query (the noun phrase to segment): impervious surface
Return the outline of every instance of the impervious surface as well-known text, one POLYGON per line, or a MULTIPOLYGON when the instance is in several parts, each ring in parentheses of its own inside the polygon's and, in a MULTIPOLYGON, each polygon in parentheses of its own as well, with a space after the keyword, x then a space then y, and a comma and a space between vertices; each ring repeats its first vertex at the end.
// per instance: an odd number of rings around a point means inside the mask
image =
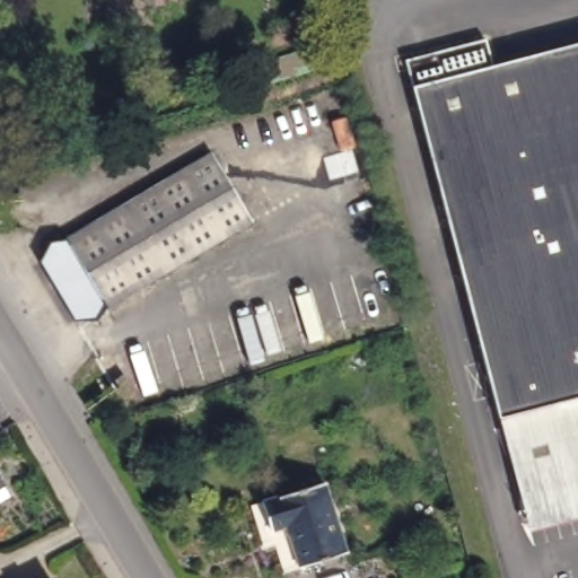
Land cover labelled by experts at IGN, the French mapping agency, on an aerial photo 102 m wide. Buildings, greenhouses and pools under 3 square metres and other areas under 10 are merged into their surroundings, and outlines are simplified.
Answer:
POLYGON ((375 327, 388 327, 395 323, 395 312, 386 300, 388 275, 379 266, 379 262, 375 262, 366 251, 368 242, 382 237, 382 226, 368 210, 366 201, 359 205, 350 205, 348 201, 368 190, 368 183, 357 174, 354 138, 345 120, 327 122, 321 117, 316 106, 291 111, 287 117, 278 117, 275 126, 269 126, 264 117, 253 120, 251 115, 226 117, 226 122, 221 122, 219 126, 172 138, 163 142, 160 154, 149 158, 149 165, 131 167, 113 178, 106 176, 106 172, 102 169, 102 156, 93 158, 90 167, 84 163, 75 172, 72 167, 65 167, 61 176, 54 176, 38 190, 23 190, 18 196, 18 205, 14 208, 14 217, 20 221, 20 230, 0 235, 0 449, 7 447, 7 443, 14 438, 11 429, 18 427, 27 447, 32 449, 41 470, 52 483, 59 501, 63 503, 65 513, 65 528, 59 528, 47 537, 36 540, 23 549, 0 553, 0 578, 54 578, 50 576, 52 560, 81 544, 88 546, 106 578, 176 578, 167 560, 163 558, 158 544, 154 542, 151 533, 138 506, 124 490, 117 470, 108 463, 97 440, 95 436, 88 427, 90 411, 102 406, 106 400, 117 397, 124 402, 129 402, 135 413, 142 411, 176 400, 187 400, 199 393, 217 391, 228 384, 251 382, 280 368, 339 350, 334 341, 339 339, 364 334, 366 330, 375 327), (131 201, 133 196, 147 192, 156 183, 178 174, 181 169, 194 165, 201 158, 208 158, 212 163, 210 172, 203 174, 203 183, 228 183, 228 194, 233 199, 242 196, 244 205, 248 208, 246 224, 226 239, 221 239, 217 246, 192 257, 187 264, 172 269, 167 273, 158 273, 149 282, 135 282, 117 296, 106 298, 95 316, 77 318, 45 269, 43 257, 50 244, 65 242, 93 221, 102 219, 122 203, 131 201))
POLYGON ((284 571, 280 578, 402 578, 400 571, 391 573, 391 567, 386 562, 382 558, 370 558, 352 567, 348 562, 350 551, 300 564, 291 553, 287 533, 278 531, 273 526, 273 517, 264 515, 262 508, 255 503, 253 519, 262 537, 262 549, 273 549, 278 553, 278 560, 284 571))
POLYGON ((535 531, 526 524, 526 510, 522 503, 513 458, 508 452, 506 431, 494 406, 438 181, 434 174, 427 138, 422 131, 413 95, 413 86, 418 84, 418 79, 409 77, 406 59, 440 47, 476 41, 481 36, 492 38, 492 63, 578 43, 578 0, 368 0, 370 36, 368 47, 361 56, 364 79, 368 97, 373 99, 373 108, 382 117, 384 129, 391 135, 391 147, 395 156, 397 176, 409 210, 409 221, 404 224, 404 228, 415 239, 418 264, 429 282, 431 296, 431 303, 436 307, 436 323, 449 364, 452 386, 467 434, 479 494, 485 506, 503 578, 578 578, 578 519, 542 531, 535 531))
POLYGON ((27 522, 27 513, 20 503, 20 497, 11 492, 11 476, 18 472, 20 463, 16 456, 0 454, 0 540, 18 535, 14 522, 27 522))

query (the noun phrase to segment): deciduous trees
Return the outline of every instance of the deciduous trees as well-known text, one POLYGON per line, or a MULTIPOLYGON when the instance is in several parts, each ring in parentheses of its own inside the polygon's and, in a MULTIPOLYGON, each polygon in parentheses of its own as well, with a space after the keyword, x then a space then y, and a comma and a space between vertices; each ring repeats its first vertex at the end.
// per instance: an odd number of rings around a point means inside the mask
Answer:
POLYGON ((187 422, 185 418, 160 418, 147 424, 142 447, 151 452, 149 470, 154 472, 154 485, 167 485, 192 492, 205 488, 217 494, 221 492, 221 488, 233 488, 253 465, 262 461, 264 454, 269 454, 257 420, 248 415, 244 409, 214 402, 201 409, 203 413, 199 422, 187 422))
POLYGON ((391 567, 391 573, 400 571, 402 578, 443 578, 461 573, 465 555, 470 555, 465 542, 447 540, 447 533, 440 524, 434 531, 415 531, 400 546, 397 560, 386 562, 391 567))
POLYGON ((214 59, 212 54, 199 56, 187 65, 187 81, 183 86, 181 93, 185 99, 214 106, 226 117, 251 115, 262 111, 264 97, 271 90, 271 79, 278 75, 280 61, 266 56, 266 50, 271 47, 253 45, 233 63, 214 59))
POLYGON ((104 25, 117 16, 131 16, 135 11, 133 0, 84 0, 81 18, 90 18, 97 25, 104 25))
POLYGON ((142 90, 131 90, 126 86, 129 95, 122 102, 113 93, 108 81, 88 84, 84 61, 36 65, 25 75, 20 75, 18 65, 11 65, 7 72, 0 70, 0 178, 16 181, 23 167, 47 169, 54 176, 61 176, 65 167, 72 167, 75 172, 84 163, 90 167, 93 158, 102 156, 102 169, 106 172, 106 176, 113 178, 131 167, 149 165, 149 158, 160 154, 163 142, 172 138, 167 131, 158 129, 158 124, 163 122, 158 113, 160 108, 147 104, 142 90))

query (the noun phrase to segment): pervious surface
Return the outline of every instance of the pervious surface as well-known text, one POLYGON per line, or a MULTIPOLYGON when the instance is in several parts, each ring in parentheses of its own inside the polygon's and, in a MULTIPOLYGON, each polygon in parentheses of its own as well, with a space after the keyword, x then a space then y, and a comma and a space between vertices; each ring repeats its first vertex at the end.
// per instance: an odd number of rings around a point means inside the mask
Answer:
POLYGON ((154 23, 145 11, 147 7, 181 0, 133 0, 135 11, 142 25, 151 27, 154 23))

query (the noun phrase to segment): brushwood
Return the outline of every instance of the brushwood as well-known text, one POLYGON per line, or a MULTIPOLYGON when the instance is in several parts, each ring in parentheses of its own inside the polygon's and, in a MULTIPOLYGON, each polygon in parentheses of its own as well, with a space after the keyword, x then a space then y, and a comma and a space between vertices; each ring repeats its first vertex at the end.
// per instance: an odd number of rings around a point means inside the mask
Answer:
POLYGON ((208 38, 226 27, 233 27, 239 14, 239 9, 226 7, 221 0, 219 0, 217 5, 210 5, 203 16, 201 36, 208 38))
POLYGON ((65 513, 61 517, 52 517, 47 513, 27 513, 27 522, 14 522, 18 535, 0 540, 0 553, 23 549, 36 540, 47 537, 59 528, 65 528, 65 513))
POLYGON ((321 481, 330 481, 336 515, 341 519, 343 531, 348 533, 350 551, 348 562, 352 567, 370 558, 382 558, 386 562, 397 560, 400 546, 391 546, 386 551, 384 540, 379 537, 379 531, 397 508, 418 503, 434 506, 440 510, 454 508, 449 474, 438 454, 438 436, 431 420, 418 420, 409 427, 409 434, 418 447, 420 458, 411 461, 404 452, 397 452, 393 461, 361 461, 352 465, 348 472, 336 472, 334 465, 318 465, 316 472, 321 481))
POLYGON ((275 9, 278 0, 264 0, 264 14, 251 20, 253 45, 271 47, 282 47, 287 43, 282 16, 275 9))
POLYGON ((219 126, 221 122, 226 122, 226 117, 214 106, 185 99, 181 93, 183 86, 169 84, 174 68, 169 68, 169 52, 163 50, 160 38, 167 25, 183 18, 187 0, 181 0, 147 7, 145 11, 154 23, 151 27, 142 25, 135 11, 131 16, 117 16, 104 25, 102 43, 115 43, 124 50, 122 72, 126 75, 126 86, 131 90, 142 90, 147 104, 160 108, 158 113, 163 122, 158 124, 158 129, 167 131, 172 138, 219 126))
POLYGON ((54 176, 47 169, 23 167, 16 181, 0 178, 0 205, 14 208, 18 205, 18 196, 23 190, 38 190, 54 176))
POLYGON ((0 29, 36 11, 36 0, 0 0, 0 29))
POLYGON ((239 490, 233 488, 221 488, 221 492, 217 494, 205 488, 192 492, 167 485, 154 485, 149 485, 140 494, 138 506, 151 533, 160 531, 172 542, 178 542, 178 535, 185 533, 185 528, 199 526, 201 537, 212 549, 219 549, 233 533, 226 519, 226 510, 235 499, 239 499, 239 490))
POLYGON ((264 117, 269 126, 275 126, 278 117, 287 117, 291 111, 316 106, 321 117, 327 122, 345 120, 354 138, 357 174, 368 183, 368 190, 348 201, 350 205, 359 205, 366 201, 368 210, 382 226, 382 237, 368 242, 366 251, 375 262, 379 262, 379 266, 388 275, 386 300, 395 312, 395 323, 388 327, 375 327, 366 330, 364 334, 339 339, 334 341, 339 350, 361 341, 379 341, 384 336, 391 343, 400 343, 404 334, 402 321, 411 314, 418 298, 431 296, 429 282, 418 264, 415 239, 404 228, 404 224, 391 199, 377 196, 373 187, 377 181, 384 181, 384 165, 395 156, 391 147, 391 135, 384 129, 382 117, 373 108, 373 99, 368 97, 364 79, 350 72, 327 84, 325 77, 318 77, 309 68, 307 75, 289 77, 287 81, 280 81, 278 75, 271 79, 271 90, 264 97, 262 111, 251 115, 253 120, 264 117))
POLYGON ((348 397, 334 397, 330 409, 314 413, 314 429, 323 422, 336 420, 345 406, 352 404, 348 397))
POLYGON ((72 18, 70 29, 65 32, 68 41, 88 36, 90 29, 97 25, 90 18, 81 18, 72 18))
POLYGON ((97 440, 106 436, 111 443, 120 447, 117 456, 122 472, 131 474, 138 470, 149 470, 151 452, 142 447, 147 424, 142 411, 135 413, 129 402, 124 402, 122 413, 113 422, 102 422, 102 431, 95 436, 97 440))
POLYGON ((465 555, 461 573, 443 578, 485 578, 488 562, 479 555, 470 555, 465 555))

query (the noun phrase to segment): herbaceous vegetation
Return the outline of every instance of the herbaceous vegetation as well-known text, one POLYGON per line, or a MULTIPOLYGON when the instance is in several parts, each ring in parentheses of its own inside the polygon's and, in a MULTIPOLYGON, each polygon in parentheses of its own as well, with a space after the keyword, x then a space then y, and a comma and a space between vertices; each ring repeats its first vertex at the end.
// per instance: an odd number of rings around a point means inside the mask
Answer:
POLYGON ((106 578, 88 546, 81 544, 52 560, 50 576, 54 578, 106 578))
POLYGON ((395 156, 384 165, 384 181, 377 181, 373 187, 377 196, 391 199, 404 224, 409 221, 409 210, 397 176, 395 156))
POLYGON ((140 494, 149 485, 154 485, 154 472, 149 470, 138 470, 131 474, 122 472, 117 456, 120 447, 111 443, 106 436, 97 440, 108 463, 117 470, 124 490, 138 506, 140 494))
POLYGON ((275 9, 282 16, 287 43, 282 47, 271 47, 266 50, 266 56, 280 61, 282 56, 298 54, 305 52, 309 45, 309 41, 300 38, 305 0, 278 0, 275 9))
POLYGON ((264 14, 264 0, 221 0, 226 7, 239 9, 239 14, 233 27, 226 27, 208 38, 201 36, 203 16, 210 5, 217 5, 219 0, 187 0, 183 18, 167 25, 160 38, 163 50, 169 52, 169 68, 174 68, 169 84, 183 86, 187 81, 187 65, 199 56, 212 54, 214 59, 233 63, 253 45, 251 20, 264 14))
POLYGON ((113 422, 122 413, 124 402, 117 397, 106 400, 102 406, 90 411, 88 427, 95 436, 102 431, 102 422, 113 422))
POLYGON ((70 29, 72 18, 81 18, 84 0, 36 0, 36 11, 0 29, 0 70, 7 72, 11 65, 18 65, 20 75, 25 75, 36 65, 84 61, 88 84, 108 81, 113 93, 122 102, 129 95, 126 86, 126 75, 122 72, 124 50, 115 43, 102 43, 104 25, 97 25, 90 29, 88 36, 68 41, 65 32, 70 29))
POLYGON ((20 221, 14 217, 14 208, 0 205, 0 235, 20 230, 20 221))
POLYGON ((63 503, 59 501, 52 483, 41 470, 32 449, 27 447, 18 427, 11 429, 14 438, 7 443, 7 447, 0 449, 0 454, 16 456, 20 463, 18 472, 11 476, 11 492, 20 497, 20 503, 27 513, 47 513, 52 517, 61 517, 65 513, 63 503))
POLYGON ((214 402, 244 409, 248 415, 257 420, 269 454, 264 454, 262 461, 253 465, 233 488, 239 490, 239 499, 235 499, 226 510, 226 519, 233 533, 219 549, 212 549, 201 537, 199 526, 185 528, 185 533, 178 535, 178 542, 172 542, 160 531, 151 533, 154 542, 158 544, 163 558, 167 560, 176 578, 280 578, 284 571, 278 560, 278 553, 273 549, 262 549, 262 537, 253 519, 255 503, 248 492, 251 485, 269 488, 273 494, 280 497, 321 481, 316 472, 318 465, 334 465, 336 472, 348 472, 352 465, 361 461, 393 461, 397 452, 404 452, 411 461, 420 458, 418 447, 409 434, 409 427, 418 420, 431 420, 438 436, 438 454, 449 474, 454 508, 440 510, 434 506, 418 503, 397 508, 379 531, 379 537, 384 540, 386 551, 391 546, 400 546, 415 531, 434 531, 440 524, 447 533, 447 540, 465 542, 470 555, 479 555, 488 562, 485 578, 503 578, 485 506, 479 494, 467 434, 452 386, 449 364, 436 323, 436 307, 431 303, 431 296, 418 298, 411 314, 402 321, 404 334, 400 343, 391 343, 384 336, 379 341, 361 341, 339 350, 280 368, 251 382, 228 384, 217 391, 199 393, 187 400, 176 400, 142 411, 147 424, 160 418, 185 418, 187 422, 199 422, 203 413, 201 409, 214 402), (314 413, 330 409, 334 397, 348 397, 352 404, 345 406, 336 420, 323 422, 314 429, 314 413))

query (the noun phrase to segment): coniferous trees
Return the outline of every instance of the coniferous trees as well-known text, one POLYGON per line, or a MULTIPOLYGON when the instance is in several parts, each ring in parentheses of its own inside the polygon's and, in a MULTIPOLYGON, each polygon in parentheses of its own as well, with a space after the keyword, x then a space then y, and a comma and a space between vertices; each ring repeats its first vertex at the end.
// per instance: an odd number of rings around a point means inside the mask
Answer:
POLYGON ((303 63, 309 68, 318 77, 325 77, 327 84, 350 72, 364 79, 361 56, 368 47, 370 36, 368 0, 305 0, 300 38, 309 41, 309 45, 305 52, 298 54, 303 63))

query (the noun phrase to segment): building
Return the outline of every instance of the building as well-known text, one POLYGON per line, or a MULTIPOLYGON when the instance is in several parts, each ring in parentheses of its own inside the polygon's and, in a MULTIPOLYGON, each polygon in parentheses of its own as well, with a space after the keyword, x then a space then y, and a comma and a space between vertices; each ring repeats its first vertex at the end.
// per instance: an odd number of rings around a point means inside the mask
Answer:
POLYGON ((149 282, 158 273, 167 273, 172 269, 187 264, 192 257, 217 246, 221 239, 226 239, 246 224, 248 208, 244 205, 242 196, 233 199, 228 194, 228 183, 203 183, 203 174, 210 172, 212 163, 208 158, 201 158, 194 165, 181 169, 178 174, 156 183, 147 192, 133 196, 131 201, 122 203, 102 219, 93 221, 65 242, 50 244, 43 257, 45 269, 77 318, 95 316, 106 298, 117 296, 135 282, 149 282))
POLYGON ((273 526, 278 531, 287 533, 291 553, 300 564, 350 551, 348 533, 343 531, 341 519, 336 515, 330 481, 321 481, 280 497, 273 494, 269 488, 251 485, 248 492, 255 503, 262 508, 264 515, 273 517, 273 526))
POLYGON ((298 54, 282 56, 280 61, 278 75, 280 81, 287 81, 289 77, 307 75, 309 68, 303 63, 298 54))
POLYGON ((427 138, 434 174, 438 181, 494 406, 506 431, 508 452, 513 458, 522 503, 526 510, 526 524, 535 531, 542 531, 578 519, 578 43, 492 63, 492 38, 481 36, 476 41, 440 47, 406 59, 409 77, 418 79, 418 84, 413 86, 413 95, 422 131, 427 138))

